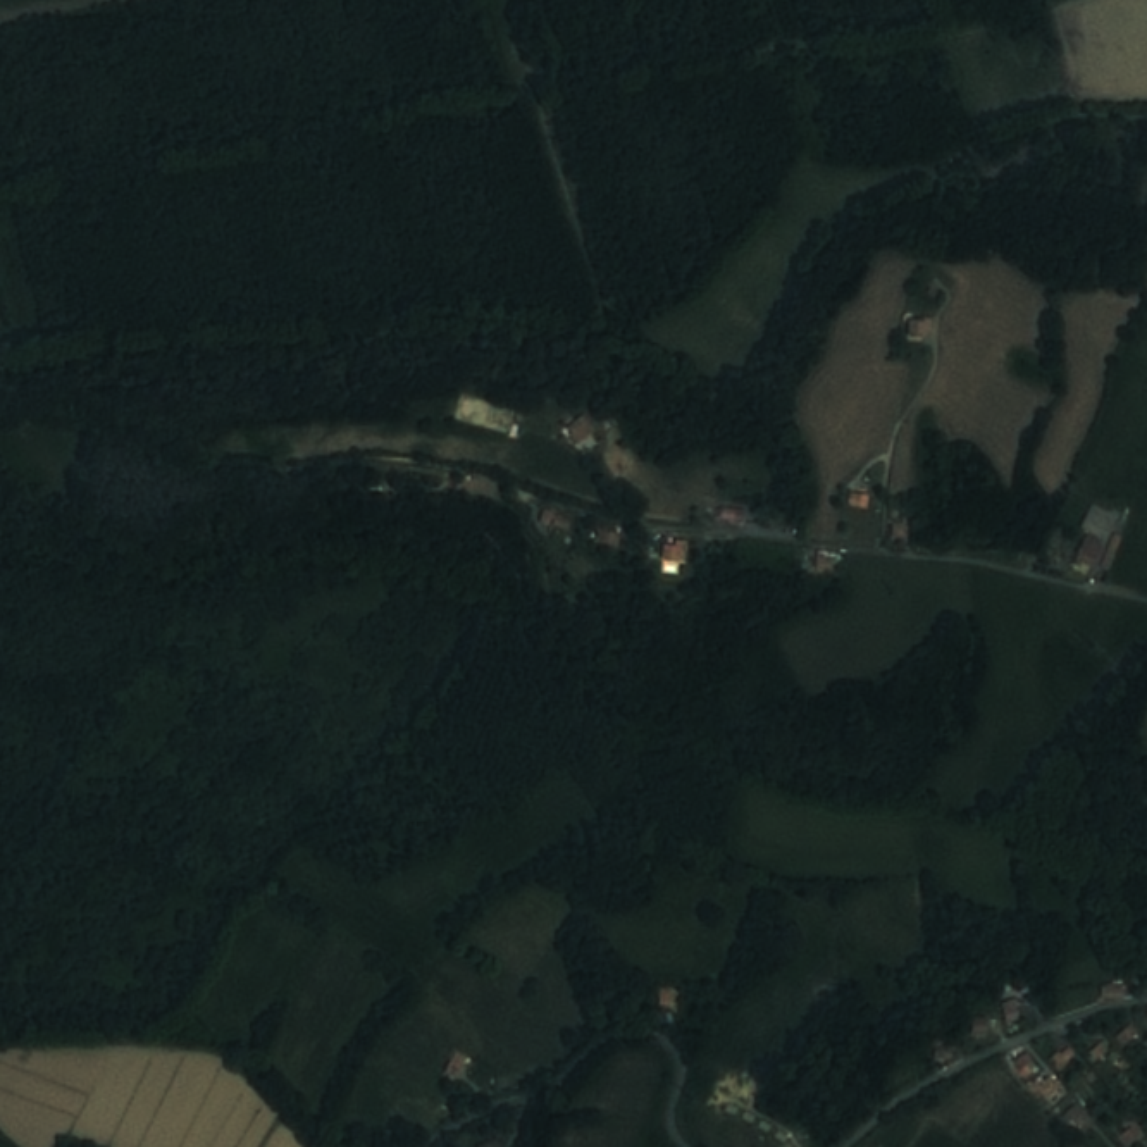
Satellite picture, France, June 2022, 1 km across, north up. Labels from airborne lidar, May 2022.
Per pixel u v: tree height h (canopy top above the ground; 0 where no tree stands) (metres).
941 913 20
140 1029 17
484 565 20
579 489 0
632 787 9
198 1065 0
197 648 6
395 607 7
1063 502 21
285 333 26
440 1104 0
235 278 15
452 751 28
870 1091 20
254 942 0
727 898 0
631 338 10
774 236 0
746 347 0
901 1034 29
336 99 15
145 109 9
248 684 10
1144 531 0
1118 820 19
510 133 17
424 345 23
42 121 8
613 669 21
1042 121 23
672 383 29
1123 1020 7
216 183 16
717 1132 0
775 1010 0
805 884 10
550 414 0
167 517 23
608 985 16
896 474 0
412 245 13
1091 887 23
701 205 11
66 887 9
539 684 33
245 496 18
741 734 14
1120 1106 13
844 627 0
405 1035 0
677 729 7
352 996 0
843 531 12
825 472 0
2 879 13
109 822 19
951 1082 6
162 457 25
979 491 9
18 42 10
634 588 11
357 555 28
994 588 0
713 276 20
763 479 0
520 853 0
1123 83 0
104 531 21
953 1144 0
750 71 18
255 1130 0
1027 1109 0
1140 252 17
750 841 0
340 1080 12
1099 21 0
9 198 19
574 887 15
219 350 27
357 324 21
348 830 18
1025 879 16
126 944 8
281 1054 0
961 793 0
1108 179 24
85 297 18
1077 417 0
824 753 12
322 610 0
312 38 16
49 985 8
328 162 19
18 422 19
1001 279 0
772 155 15
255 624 5
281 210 16
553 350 24
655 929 0
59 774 10
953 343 0
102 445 21
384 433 0
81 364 23
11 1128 0
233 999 0
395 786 7
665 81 20
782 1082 27
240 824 6
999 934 21
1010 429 0
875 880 9
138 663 9
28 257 9
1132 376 0
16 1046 11
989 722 0
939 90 17
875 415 0
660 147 11
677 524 0
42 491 11
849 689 15
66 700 12
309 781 6
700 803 18
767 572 11
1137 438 0
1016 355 0
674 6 17
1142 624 0
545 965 0
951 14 20
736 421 19
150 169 17
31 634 10
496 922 0
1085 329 0
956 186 22
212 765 8
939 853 0
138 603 7
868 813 18
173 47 21
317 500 20
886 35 28
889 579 0
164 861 10
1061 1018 0
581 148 19
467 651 26
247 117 14
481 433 0
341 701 6
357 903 0
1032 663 0
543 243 17
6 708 8
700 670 13
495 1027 0
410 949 0
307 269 15
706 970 0
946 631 23
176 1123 0
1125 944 32
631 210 12
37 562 10
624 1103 0
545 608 23
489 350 23
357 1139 19
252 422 10
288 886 13
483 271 11
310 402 22
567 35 15
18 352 32
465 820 25
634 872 19
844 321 0
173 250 20
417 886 0
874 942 0
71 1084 0
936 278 0
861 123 17
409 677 6
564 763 18
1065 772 32
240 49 8
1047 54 8
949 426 0
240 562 21
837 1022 17
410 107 24
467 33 13
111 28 9
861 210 19
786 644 0
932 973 24
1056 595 0
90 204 11
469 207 15
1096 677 0
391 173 16
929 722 11
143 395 21
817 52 18
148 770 7
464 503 15
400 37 16
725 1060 0
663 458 10
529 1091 15
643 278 16
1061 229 23
